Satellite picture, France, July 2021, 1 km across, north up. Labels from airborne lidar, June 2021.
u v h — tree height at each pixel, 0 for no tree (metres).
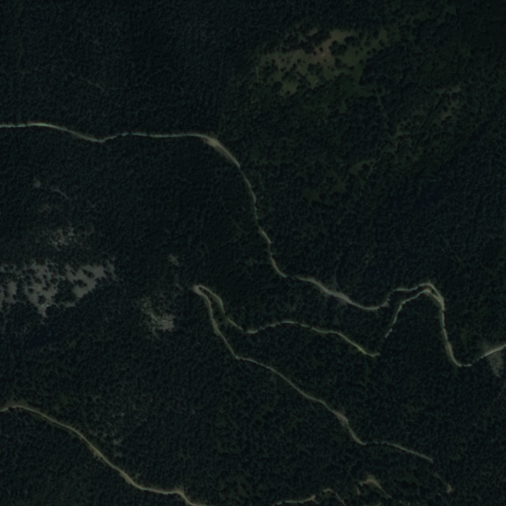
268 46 9
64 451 18
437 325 13
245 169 24
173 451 17
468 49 7
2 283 8
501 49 14
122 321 18
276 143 12
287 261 18
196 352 24
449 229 6
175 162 13
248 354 8
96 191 17
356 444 8
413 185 7
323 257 15
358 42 9
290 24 18
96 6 14
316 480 17
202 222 29
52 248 12
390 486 29
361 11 14
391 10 14
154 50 10
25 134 8
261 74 7
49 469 7
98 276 0
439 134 11
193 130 12
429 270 19
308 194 0
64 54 9
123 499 16
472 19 23
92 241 18
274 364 7
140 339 19
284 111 21
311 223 26
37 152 9
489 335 11
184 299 17
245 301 13
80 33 7
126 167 16
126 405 12
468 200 16
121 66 10
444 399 9
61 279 7
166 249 14
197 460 13
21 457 18
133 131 22
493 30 16
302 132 17
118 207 12
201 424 21
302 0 30
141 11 13
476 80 22
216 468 18
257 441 16
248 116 14
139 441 14
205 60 18
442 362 12
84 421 17
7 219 18
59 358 8
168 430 12
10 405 0
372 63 8
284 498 10
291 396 8
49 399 18
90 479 18
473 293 16
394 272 26
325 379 26
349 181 11
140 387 19
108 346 18
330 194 12
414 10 13
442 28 17
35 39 16
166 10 22
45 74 14
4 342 20
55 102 7
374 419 12
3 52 15
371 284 13
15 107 13
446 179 17
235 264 12
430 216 12
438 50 9
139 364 27
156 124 12
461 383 31
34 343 24
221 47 9
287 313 9
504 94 18
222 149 0
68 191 10
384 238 16
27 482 20
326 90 12
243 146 11
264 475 19
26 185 14
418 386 15
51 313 21
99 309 12
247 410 17
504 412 15
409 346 17
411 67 21
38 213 8
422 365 11
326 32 16
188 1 21
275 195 30
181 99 25
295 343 25
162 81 13
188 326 23
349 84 12
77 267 11
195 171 17
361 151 23
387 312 31
